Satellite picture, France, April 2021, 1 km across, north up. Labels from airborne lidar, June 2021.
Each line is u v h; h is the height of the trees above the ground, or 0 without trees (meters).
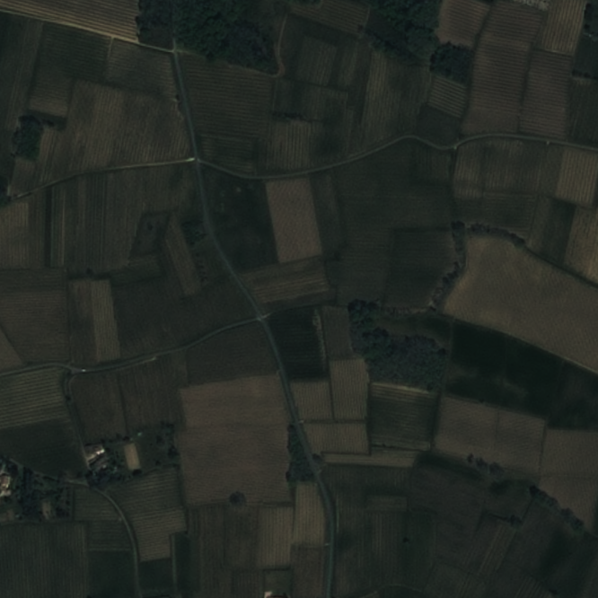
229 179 0
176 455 18
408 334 0
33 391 0
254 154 0
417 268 0
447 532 0
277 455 0
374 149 0
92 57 0
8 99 0
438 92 0
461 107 0
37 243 0
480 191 0
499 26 0
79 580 0
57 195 0
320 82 0
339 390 0
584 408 0
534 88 0
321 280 0
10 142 0
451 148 0
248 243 0
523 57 0
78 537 0
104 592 0
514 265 0
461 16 0
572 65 0
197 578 0
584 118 0
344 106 0
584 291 0
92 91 0
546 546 0
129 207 0
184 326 0
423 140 0
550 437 0
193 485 0
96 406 0
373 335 15
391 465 0
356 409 0
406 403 0
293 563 0
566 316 0
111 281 0
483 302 0
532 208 0
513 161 0
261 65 24
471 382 0
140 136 0
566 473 0
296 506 0
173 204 0
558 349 0
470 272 0
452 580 0
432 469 0
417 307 0
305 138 0
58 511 7
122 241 0
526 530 0
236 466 0
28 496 13
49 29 0
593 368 0
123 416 0
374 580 0
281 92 0
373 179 0
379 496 0
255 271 0
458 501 0
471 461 11
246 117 0
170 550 0
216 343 0
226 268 0
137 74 0
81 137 0
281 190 0
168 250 0
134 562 0
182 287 0
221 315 0
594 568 0
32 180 0
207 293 0
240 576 0
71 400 10
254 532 0
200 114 0
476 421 0
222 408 0
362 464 0
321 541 0
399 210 0
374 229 0
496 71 0
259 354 0
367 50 0
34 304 0
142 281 0
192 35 25
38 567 0
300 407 0
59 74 0
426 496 0
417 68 0
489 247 0
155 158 0
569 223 0
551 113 0
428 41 22
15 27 0
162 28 21
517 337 0
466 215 0
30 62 0
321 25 0
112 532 0
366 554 0
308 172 0
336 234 0
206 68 0
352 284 0
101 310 0
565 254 0
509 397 0
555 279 0
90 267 0
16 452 0
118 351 0
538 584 0
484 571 0
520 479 0
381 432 0
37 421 0
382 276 0
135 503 0
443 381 19
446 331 0
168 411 0
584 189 0
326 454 0
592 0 0
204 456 0
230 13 22
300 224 0
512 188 0
